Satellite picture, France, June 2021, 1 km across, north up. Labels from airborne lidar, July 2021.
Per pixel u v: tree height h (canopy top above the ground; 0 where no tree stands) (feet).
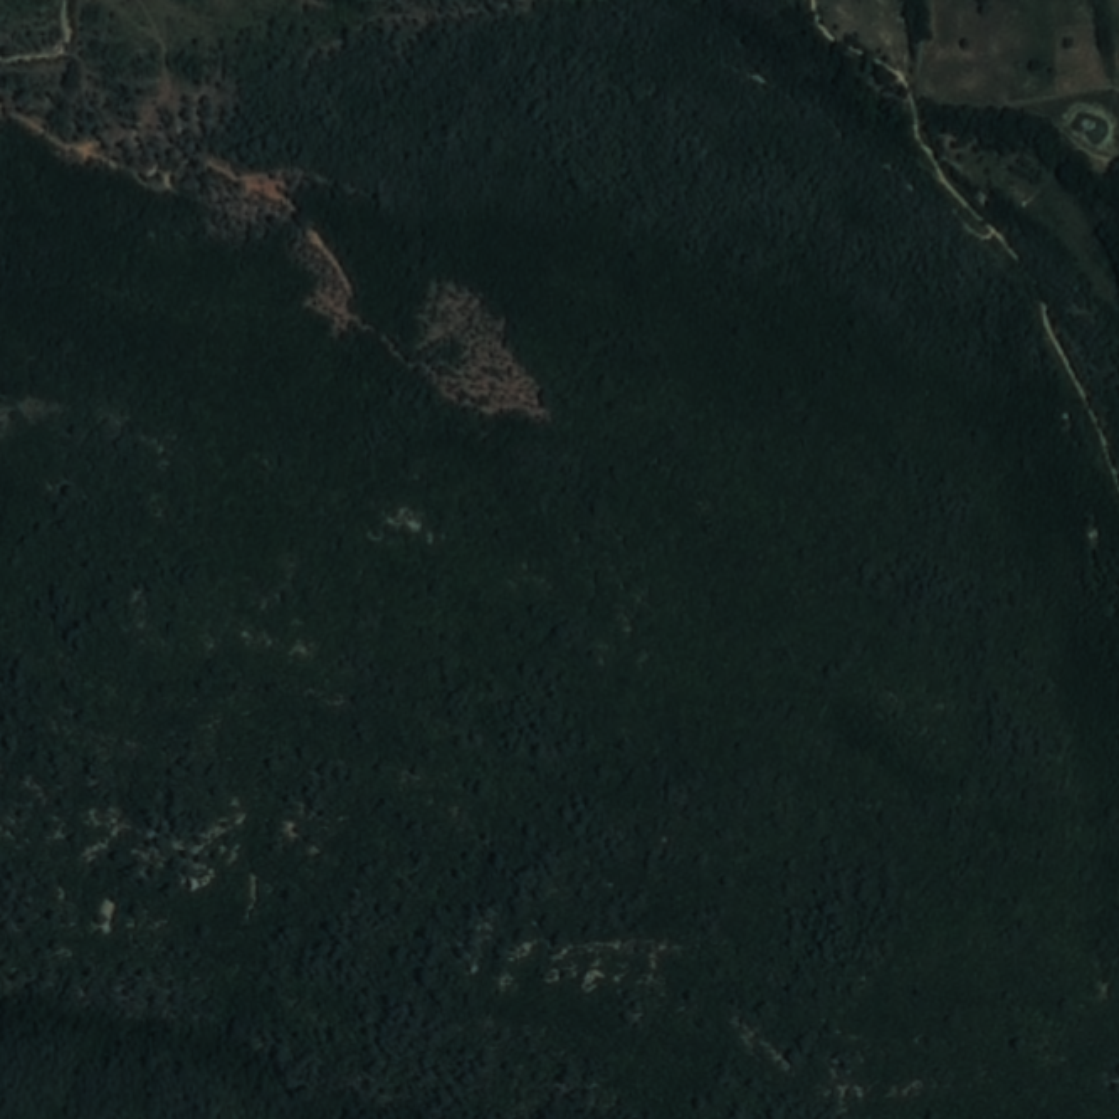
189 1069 37
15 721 23
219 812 22
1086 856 33
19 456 19
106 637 24
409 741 27
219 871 26
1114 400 37
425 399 24
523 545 22
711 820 22
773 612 21
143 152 40
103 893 30
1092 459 28
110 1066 52
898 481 26
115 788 30
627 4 32
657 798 21
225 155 49
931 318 46
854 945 33
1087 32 0
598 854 38
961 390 37
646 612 18
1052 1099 25
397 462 24
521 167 31
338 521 20
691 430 28
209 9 0
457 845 23
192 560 21
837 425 29
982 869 30
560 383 23
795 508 23
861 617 22
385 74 36
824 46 58
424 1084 67
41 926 27
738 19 62
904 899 27
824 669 24
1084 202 19
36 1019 45
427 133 38
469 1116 59
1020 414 52
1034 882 28
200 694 20
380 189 65
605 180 45
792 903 25
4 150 25
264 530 20
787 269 60
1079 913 34
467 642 33
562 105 49
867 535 28
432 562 18
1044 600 33
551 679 27
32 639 23
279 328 32
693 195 51
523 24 32
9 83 66
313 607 22
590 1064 60
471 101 53
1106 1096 25
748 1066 21
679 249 42
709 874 27
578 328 27
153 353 25
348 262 34
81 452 19
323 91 33
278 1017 33
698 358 33
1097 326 27
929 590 55
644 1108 28
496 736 31
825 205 47
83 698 22
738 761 22
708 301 34
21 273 47
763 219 50
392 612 23
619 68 30
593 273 28
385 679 46
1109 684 54
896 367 38
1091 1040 26
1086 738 39
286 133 52
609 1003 25
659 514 26
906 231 26
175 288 26
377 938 21
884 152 39
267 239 31
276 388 27
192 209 30
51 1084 32
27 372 20
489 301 31
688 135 45
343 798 29
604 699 22
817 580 20
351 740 24
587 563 18
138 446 31
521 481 28
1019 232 22
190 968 30
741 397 29
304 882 24
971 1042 25
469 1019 29
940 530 29
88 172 49
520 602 17
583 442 24
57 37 24
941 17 0
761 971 18
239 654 18
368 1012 55
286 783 31
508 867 27
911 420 26
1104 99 0
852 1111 22
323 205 46
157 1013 28
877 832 21
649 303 27
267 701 25
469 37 34
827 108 43
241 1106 22
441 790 20
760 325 42
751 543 25
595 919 42
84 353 27
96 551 22
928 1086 23
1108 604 40
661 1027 30
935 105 31
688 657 22
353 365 29
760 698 20
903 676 20
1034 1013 25
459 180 37
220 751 24
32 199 30
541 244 37
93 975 73
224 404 21
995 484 31
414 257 29
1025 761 25
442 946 49
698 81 40
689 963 21
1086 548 53
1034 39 0
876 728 28
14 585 25
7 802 22
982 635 30
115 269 27
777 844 20
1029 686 28
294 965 30
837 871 28
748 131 32
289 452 29
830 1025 35
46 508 23
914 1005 24
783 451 24
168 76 0
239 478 22
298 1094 53
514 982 19
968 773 29
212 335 27
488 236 37
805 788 18
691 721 22
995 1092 28
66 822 23
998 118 38
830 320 44
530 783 22
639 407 18
